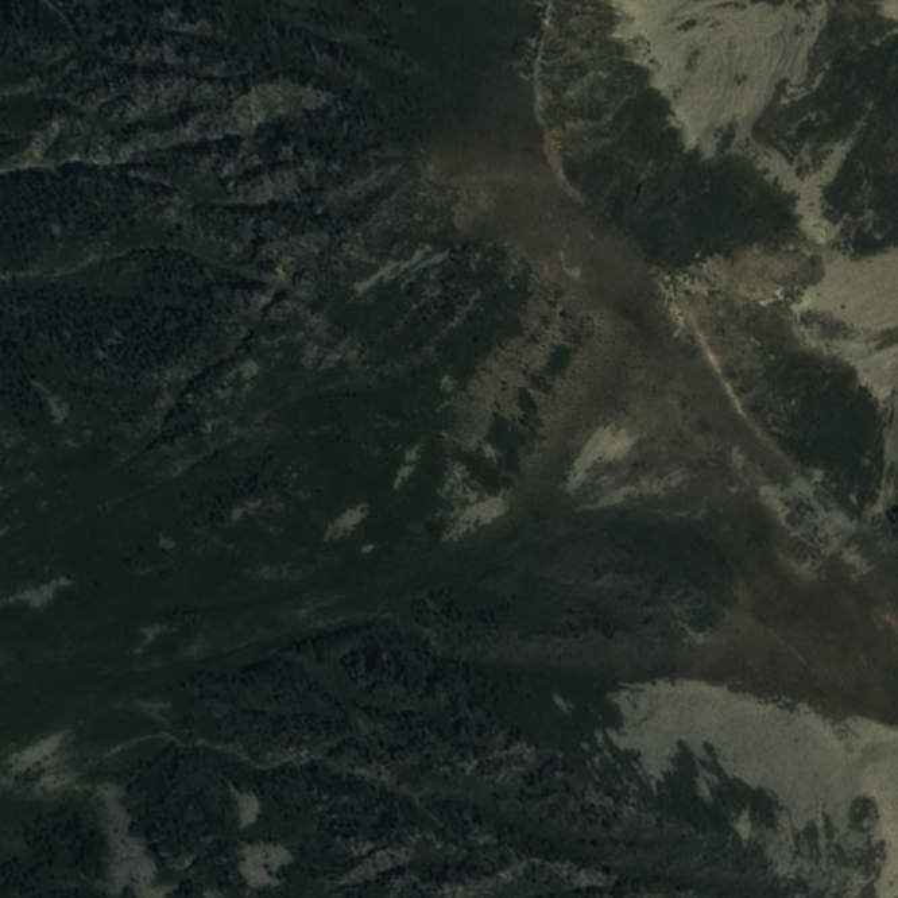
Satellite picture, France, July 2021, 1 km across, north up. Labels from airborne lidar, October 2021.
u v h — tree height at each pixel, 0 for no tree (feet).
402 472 0
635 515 0
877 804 0
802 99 0
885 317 0
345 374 0
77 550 0
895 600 0
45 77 28
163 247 28
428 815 0
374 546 0
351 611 0
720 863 0
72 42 19
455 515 0
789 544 0
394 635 0
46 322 25
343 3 0
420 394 0
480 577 0
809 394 0
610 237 0
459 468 0
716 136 0
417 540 0
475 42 0
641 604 0
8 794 0
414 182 0
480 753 26
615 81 0
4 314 38
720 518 0
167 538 0
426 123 0
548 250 0
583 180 0
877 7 0
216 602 0
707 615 0
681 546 0
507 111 0
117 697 0
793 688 0
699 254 0
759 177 0
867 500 0
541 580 0
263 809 0
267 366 0
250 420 0
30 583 0
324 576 0
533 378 0
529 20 0
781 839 0
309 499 0
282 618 0
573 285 0
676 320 0
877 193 0
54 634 0
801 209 0
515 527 0
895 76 0
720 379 0
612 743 0
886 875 0
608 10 0
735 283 0
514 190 0
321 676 0
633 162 0
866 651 0
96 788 0
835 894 0
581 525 0
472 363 0
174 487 0
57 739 0
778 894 0
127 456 0
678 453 0
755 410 0
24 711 0
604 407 0
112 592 0
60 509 0
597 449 0
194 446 0
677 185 0
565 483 0
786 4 0
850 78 0
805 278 0
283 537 0
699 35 0
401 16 0
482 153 0
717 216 0
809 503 0
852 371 0
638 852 0
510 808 0
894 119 0
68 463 0
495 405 0
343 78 0
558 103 0
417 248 0
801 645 0
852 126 0
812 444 0
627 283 0
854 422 0
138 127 24
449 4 0
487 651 0
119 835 0
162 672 0
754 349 0
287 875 28
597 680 0
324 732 32
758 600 0
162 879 0
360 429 0
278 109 0
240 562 0
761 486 0
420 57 0
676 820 0
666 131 0
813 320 0
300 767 0
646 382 0
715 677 0
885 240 0
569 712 0
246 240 0
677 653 0
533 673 0
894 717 0
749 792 0
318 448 0
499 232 0
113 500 0
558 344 0
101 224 35
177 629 0
